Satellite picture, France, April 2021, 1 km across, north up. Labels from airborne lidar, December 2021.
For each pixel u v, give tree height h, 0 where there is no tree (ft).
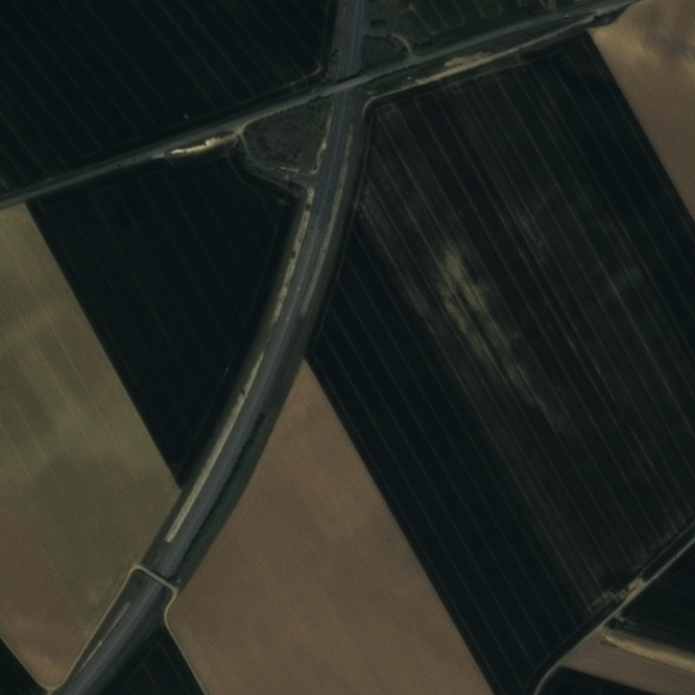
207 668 0
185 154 0
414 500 0
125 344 0
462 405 0
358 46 0
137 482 0
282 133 0
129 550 0
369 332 0
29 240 0
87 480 0
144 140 0
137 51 0
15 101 0
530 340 0
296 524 0
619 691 0
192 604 0
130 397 0
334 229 0
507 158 0
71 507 0
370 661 0
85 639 0
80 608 0
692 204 0
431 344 0
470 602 0
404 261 0
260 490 0
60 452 0
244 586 0
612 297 0
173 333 0
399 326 0
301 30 0
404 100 0
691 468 0
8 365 0
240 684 0
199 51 0
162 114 0
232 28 0
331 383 0
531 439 0
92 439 0
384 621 0
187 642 0
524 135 0
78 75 0
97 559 0
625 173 0
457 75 0
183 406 0
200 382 0
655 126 0
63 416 0
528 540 0
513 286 0
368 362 0
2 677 0
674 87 0
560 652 0
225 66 0
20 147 0
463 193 0
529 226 0
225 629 0
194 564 0
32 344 0
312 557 0
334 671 0
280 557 0
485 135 0
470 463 0
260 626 0
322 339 0
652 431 0
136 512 0
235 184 0
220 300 0
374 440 0
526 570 0
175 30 0
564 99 0
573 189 0
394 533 0
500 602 0
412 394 0
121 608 0
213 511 20
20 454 0
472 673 0
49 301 0
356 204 0
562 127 0
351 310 0
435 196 0
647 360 0
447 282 0
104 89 0
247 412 0
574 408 0
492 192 0
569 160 0
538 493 0
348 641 0
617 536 0
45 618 0
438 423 0
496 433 0
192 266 0
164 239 0
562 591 0
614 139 0
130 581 0
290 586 0
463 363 0
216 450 0
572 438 0
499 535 0
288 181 0
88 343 0
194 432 0
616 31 0
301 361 0
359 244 0
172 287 0
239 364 0
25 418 0
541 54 0
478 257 0
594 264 0
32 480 0
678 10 0
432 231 0
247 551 0
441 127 0
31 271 0
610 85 0
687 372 0
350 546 0
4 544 0
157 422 0
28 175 0
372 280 0
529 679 0
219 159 0
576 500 0
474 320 0
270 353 0
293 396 0
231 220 0
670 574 0
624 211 0
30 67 0
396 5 0
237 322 0
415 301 0
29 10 0
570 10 0
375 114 0
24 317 0
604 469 0
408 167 0
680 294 0
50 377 0
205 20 0
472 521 0
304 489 0
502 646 0
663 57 0
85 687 0
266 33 0
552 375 0
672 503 0
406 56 27
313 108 23
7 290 0
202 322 0
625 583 0
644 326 0
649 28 0
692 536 0
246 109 0
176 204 0
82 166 0
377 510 0
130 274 0
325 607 0
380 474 0
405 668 0
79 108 0
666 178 0
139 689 0
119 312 0
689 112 0
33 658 0
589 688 0
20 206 0
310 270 0
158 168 0
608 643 0
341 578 0
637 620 0
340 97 0
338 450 0
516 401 0
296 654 0
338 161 0
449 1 0
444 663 0
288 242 0
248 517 0
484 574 0
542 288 0
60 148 0
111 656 0
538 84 0
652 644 0
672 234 0
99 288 0
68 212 0
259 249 0
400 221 0
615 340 0
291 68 0
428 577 0
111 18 0
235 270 0
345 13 0
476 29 0
